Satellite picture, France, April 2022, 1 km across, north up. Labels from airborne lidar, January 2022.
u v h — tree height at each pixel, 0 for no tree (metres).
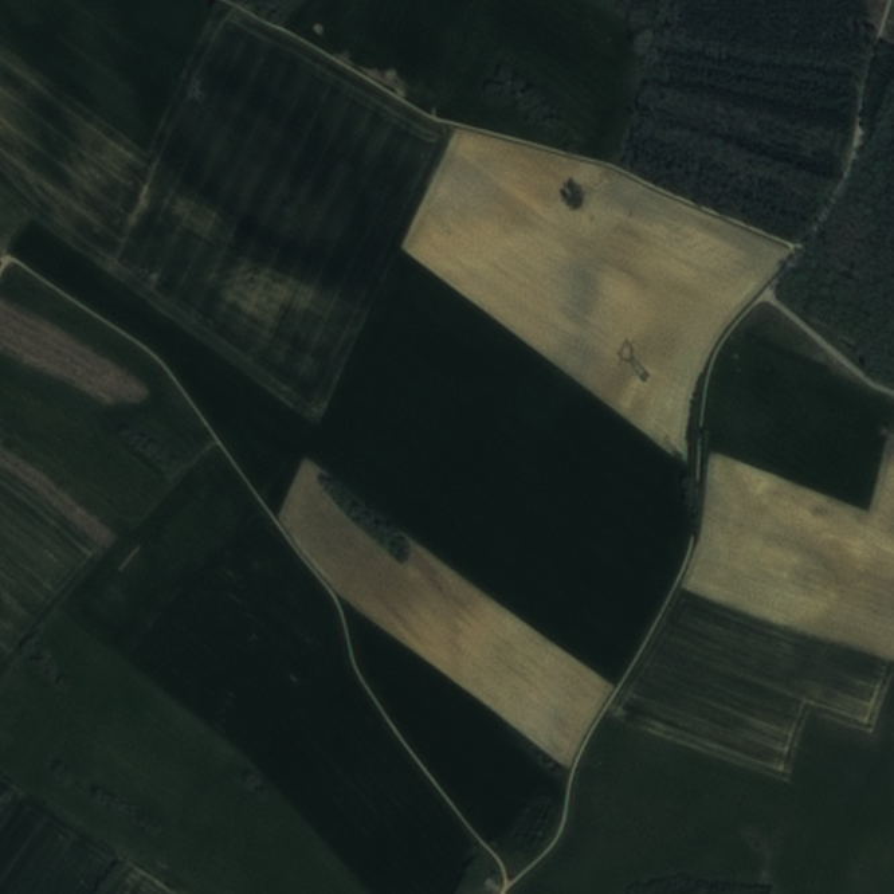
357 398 0
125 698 0
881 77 11
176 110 0
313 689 0
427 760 0
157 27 0
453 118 0
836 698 0
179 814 0
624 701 0
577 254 0
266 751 0
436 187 0
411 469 0
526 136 0
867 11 22
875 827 0
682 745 0
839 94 22
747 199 27
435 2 0
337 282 0
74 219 0
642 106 15
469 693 0
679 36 20
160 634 0
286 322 0
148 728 0
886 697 0
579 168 0
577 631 0
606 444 0
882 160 20
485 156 0
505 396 0
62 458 0
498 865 0
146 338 0
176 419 0
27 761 0
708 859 0
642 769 0
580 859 0
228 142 0
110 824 0
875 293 24
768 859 0
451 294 0
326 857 0
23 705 0
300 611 0
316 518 0
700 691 0
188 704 0
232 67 0
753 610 0
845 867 0
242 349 0
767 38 20
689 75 22
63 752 0
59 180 0
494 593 0
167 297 0
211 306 0
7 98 0
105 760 0
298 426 0
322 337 0
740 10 19
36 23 0
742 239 0
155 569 0
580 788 0
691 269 0
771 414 0
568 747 0
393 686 0
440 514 0
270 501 0
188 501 0
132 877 0
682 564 0
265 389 0
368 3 0
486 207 0
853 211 22
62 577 0
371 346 0
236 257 0
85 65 0
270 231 0
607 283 0
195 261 0
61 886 0
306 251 0
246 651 0
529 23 0
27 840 0
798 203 25
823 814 0
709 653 0
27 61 0
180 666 0
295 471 0
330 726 0
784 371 0
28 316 19
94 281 0
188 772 0
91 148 0
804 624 0
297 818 0
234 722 0
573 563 0
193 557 0
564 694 0
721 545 0
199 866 0
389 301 0
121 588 0
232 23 0
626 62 0
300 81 0
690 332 0
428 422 0
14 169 0
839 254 24
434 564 0
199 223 0
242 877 0
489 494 0
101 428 0
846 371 0
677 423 0
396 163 0
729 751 0
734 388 0
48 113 0
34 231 0
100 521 16
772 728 0
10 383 0
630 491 0
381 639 0
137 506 0
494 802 0
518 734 0
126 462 0
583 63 0
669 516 0
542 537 0
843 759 0
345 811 0
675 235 0
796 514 0
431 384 0
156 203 0
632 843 0
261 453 0
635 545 0
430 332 0
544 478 0
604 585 0
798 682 0
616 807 0
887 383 17
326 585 0
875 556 0
